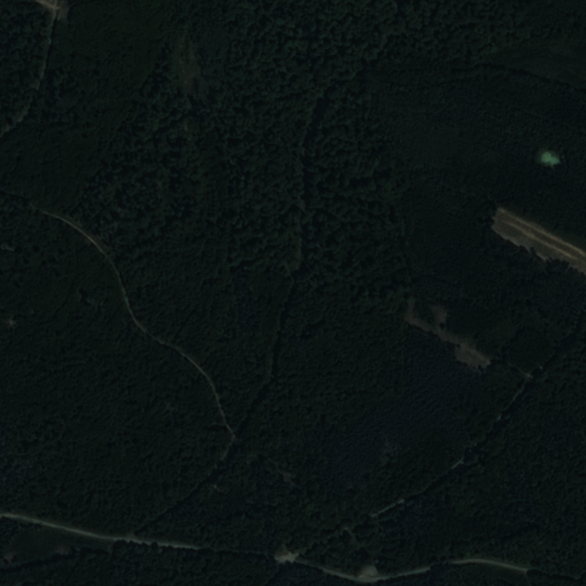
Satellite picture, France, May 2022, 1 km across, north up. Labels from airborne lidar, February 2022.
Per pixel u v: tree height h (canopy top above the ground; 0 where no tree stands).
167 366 17
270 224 32
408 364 22
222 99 26
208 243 24
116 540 0
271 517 26
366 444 24
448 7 35
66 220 0
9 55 25
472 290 11
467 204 10
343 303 23
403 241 22
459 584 17
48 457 21
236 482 21
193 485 18
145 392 13
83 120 26
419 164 16
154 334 22
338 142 32
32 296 13
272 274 15
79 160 12
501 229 0
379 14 34
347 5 31
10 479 23
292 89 30
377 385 21
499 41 28
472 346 0
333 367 23
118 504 21
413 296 10
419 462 8
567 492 23
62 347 12
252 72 33
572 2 20
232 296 30
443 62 9
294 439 24
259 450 23
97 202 8
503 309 16
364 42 17
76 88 32
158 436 17
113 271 10
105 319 10
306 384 25
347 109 15
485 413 19
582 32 13
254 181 33
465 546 19
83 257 9
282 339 18
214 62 24
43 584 17
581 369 22
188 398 21
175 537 13
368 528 26
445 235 13
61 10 0
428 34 35
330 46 27
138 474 12
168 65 31
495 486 21
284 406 27
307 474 22
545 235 0
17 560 11
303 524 24
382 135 25
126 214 32
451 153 15
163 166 34
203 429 20
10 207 19
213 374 15
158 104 9
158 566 15
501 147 12
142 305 21
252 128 36
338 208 38
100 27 13
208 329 22
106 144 7
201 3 12
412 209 9
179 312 19
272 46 32
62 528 0
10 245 28
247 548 24
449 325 11
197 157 35
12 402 11
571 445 21
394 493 8
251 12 9
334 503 25
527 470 19
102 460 14
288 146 29
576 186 9
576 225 16
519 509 17
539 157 0
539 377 21
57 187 19
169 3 6
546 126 6
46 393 13
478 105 12
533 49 0
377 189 34
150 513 19
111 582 12
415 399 23
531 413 19
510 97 10
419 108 17
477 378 23
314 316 24
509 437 21
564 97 14
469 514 20
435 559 16
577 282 26
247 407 17
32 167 17
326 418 23
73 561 13
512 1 31
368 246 11
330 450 19
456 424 23
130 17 9
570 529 22
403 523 24
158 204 36
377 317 27
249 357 22
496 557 22
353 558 11
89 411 15
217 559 15
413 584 10
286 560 0
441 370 21
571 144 10
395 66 14
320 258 32
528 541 25
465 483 19
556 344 13
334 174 30
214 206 8
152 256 22
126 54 13
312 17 20
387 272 13
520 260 16
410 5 26
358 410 20
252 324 27
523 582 0
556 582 22
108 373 18
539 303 23
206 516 16
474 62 24
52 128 34
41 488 18
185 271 24
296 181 32
